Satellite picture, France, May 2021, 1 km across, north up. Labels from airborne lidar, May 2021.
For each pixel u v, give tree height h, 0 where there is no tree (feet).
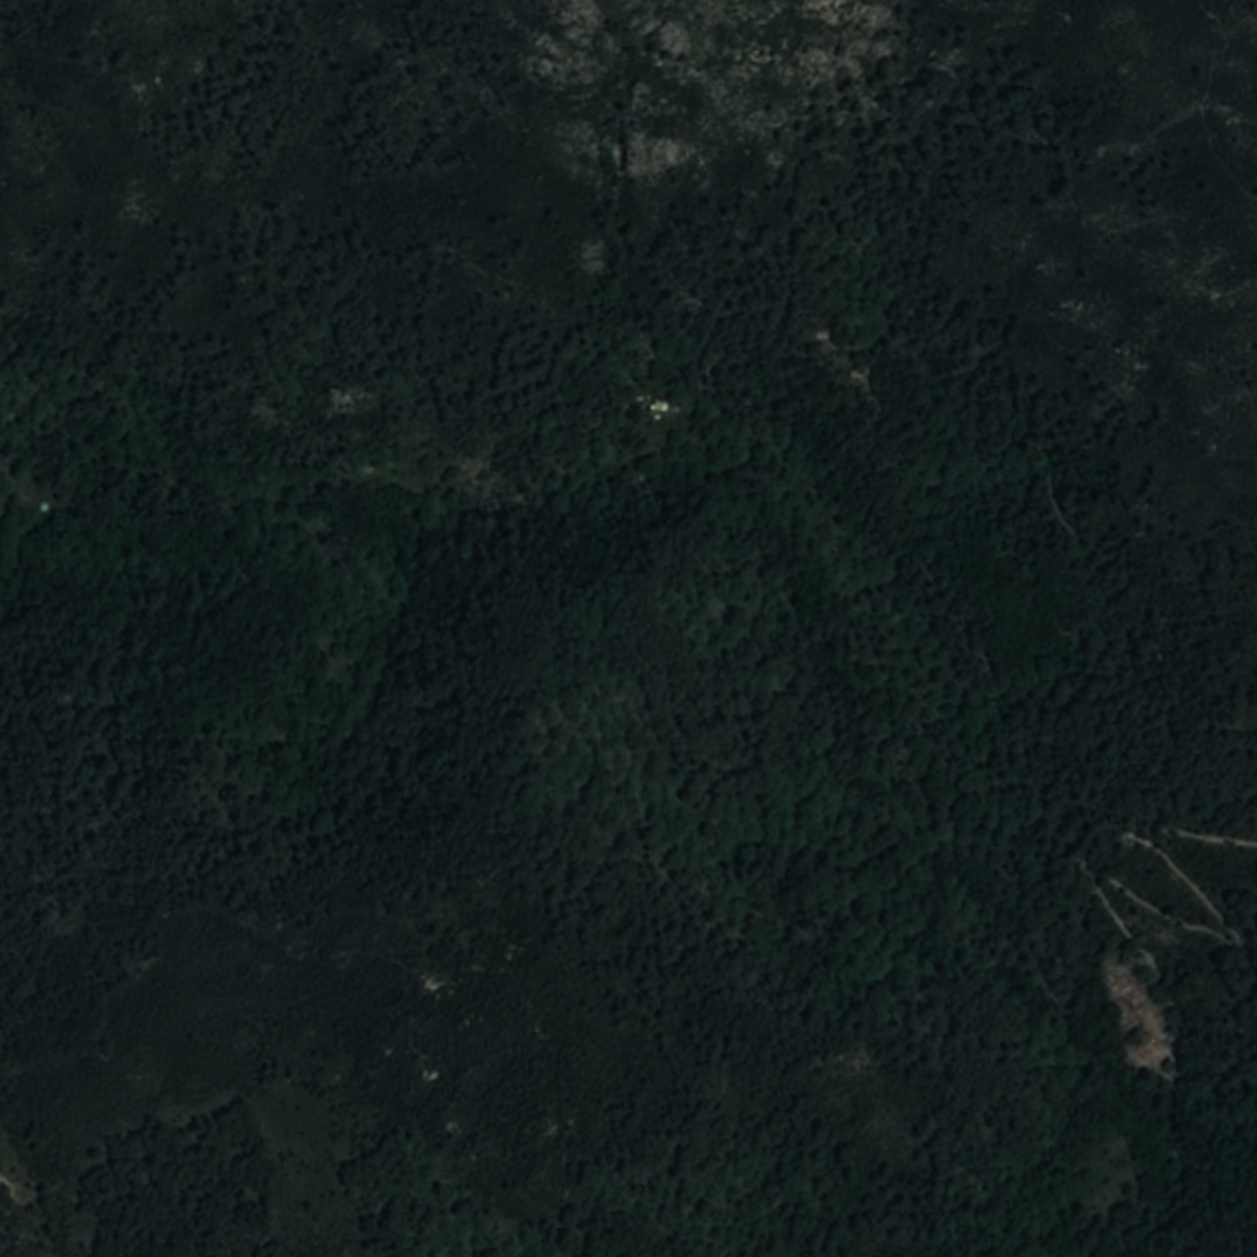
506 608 79
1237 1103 63
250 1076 21
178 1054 24
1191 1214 52
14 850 42
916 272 66
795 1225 62
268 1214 59
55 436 72
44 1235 67
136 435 81
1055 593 71
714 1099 36
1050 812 64
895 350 62
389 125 79
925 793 36
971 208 47
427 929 24
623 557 32
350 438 44
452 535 53
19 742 74
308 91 71
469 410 66
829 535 51
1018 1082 95
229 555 84
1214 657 52
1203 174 19
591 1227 78
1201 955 19
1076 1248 65
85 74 23
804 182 85
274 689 77
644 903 79
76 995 49
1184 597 69
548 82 28
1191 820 37
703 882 81
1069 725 59
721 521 57
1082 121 58
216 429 68
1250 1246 58
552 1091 18
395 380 56
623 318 57
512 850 61
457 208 26
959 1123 23
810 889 96
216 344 68
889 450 74
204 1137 66
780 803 54
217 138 86
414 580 61
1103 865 56
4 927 75
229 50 80
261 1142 65
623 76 28
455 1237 61
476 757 70
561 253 20
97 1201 75
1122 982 0
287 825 52
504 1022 26
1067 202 32
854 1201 21
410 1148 61
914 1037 66
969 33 59
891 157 45
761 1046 51
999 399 47
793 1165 43
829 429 54
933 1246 63
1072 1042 38
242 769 65
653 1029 52
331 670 57
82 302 97
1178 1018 44
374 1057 25
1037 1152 51
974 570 73
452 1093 23
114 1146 61
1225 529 46
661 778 89
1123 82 31
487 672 83
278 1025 27
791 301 50
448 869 66
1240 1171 32
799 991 46
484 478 31
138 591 60
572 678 64
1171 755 73
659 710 92
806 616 68
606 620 51
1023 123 77
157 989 18
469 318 23
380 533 88
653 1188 54
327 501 68
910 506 73
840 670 70
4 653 92
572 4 0
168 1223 59
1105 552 42
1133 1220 56
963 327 65
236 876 59
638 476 54
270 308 71
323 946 21
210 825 57
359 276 70
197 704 44
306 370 83
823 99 64
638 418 43
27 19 63
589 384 54
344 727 72
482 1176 33
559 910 56
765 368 63
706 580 66
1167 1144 40
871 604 50
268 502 60
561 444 75
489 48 71
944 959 30
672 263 70
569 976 26
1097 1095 51
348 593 67
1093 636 82
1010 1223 78
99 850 83
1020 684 62
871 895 83
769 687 71
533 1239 57
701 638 45
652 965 63
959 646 48
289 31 86
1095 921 52
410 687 93
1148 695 46
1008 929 60
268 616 50
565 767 57
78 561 59
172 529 67
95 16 21
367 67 22
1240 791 58
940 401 77
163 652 51
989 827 49
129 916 50
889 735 81
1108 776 63
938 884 36
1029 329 17
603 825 75
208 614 38
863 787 44
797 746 60
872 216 87
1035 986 60
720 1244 52
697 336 52
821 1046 41
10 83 82
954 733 48
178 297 76
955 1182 76
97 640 59
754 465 35
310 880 66
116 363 70
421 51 63
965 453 59
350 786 82
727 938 61
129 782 83
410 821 39
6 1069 44
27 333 39
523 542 43
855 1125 48
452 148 18
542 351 65
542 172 19
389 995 22
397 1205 71
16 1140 18
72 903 65
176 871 62
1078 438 44
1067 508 48
